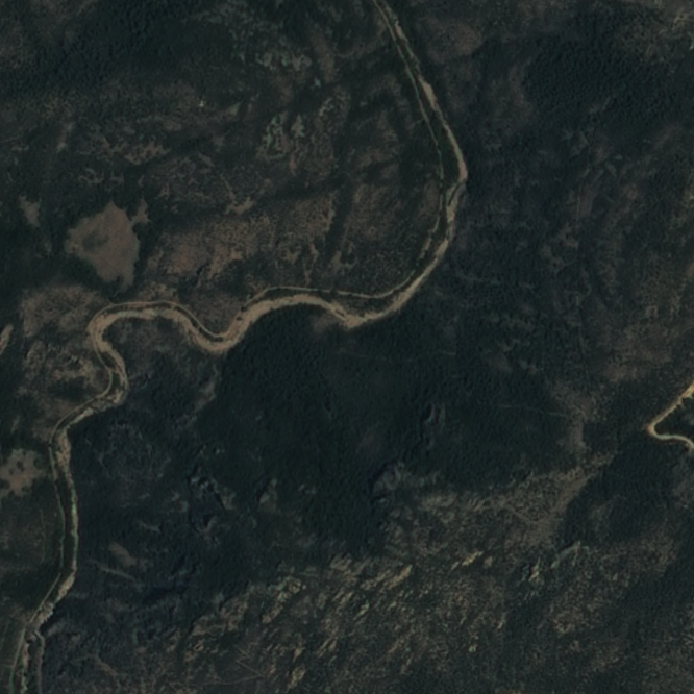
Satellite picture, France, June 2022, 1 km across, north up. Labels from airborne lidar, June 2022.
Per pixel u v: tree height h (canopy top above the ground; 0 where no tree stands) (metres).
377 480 8
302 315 11
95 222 0
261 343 10
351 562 7
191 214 9
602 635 7
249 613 7
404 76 8
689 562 8
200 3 13
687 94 7
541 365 7
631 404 11
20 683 9
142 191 6
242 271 7
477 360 11
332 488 13
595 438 11
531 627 9
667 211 7
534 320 7
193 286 6
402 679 8
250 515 6
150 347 0
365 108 6
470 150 7
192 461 7
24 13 9
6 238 7
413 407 7
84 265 9
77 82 10
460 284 13
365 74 7
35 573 6
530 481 8
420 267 7
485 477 9
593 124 6
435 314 7
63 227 8
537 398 8
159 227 9
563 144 6
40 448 9
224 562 10
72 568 6
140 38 15
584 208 0
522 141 7
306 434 7
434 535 13
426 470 8
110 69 8
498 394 9
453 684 6
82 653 7
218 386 6
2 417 11
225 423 6
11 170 9
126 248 0
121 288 7
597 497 7
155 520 7
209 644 6
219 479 6
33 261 6
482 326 12
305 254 6
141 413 7
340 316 0
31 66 9
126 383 0
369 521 7
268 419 7
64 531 9
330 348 6
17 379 7
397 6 6
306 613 0
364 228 0
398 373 6
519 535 0
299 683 7
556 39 11
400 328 7
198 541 6
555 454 6
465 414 8
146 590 7
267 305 0
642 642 9
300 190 6
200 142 9
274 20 7
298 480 7
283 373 10
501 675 7
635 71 15
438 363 10
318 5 8
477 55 6
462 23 0
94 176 8
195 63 6
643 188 0
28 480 0
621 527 7
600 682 6
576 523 8
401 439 9
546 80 13
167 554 9
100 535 9
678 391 6
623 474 11
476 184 6
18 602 7
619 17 9
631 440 12
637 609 6
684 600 8
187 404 6
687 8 0
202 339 0
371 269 6
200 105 0
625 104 12
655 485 13
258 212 8
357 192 0
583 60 13
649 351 0
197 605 8
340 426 6
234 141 0
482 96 6
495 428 7
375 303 7
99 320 0
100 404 0
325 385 6
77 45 11
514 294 11
